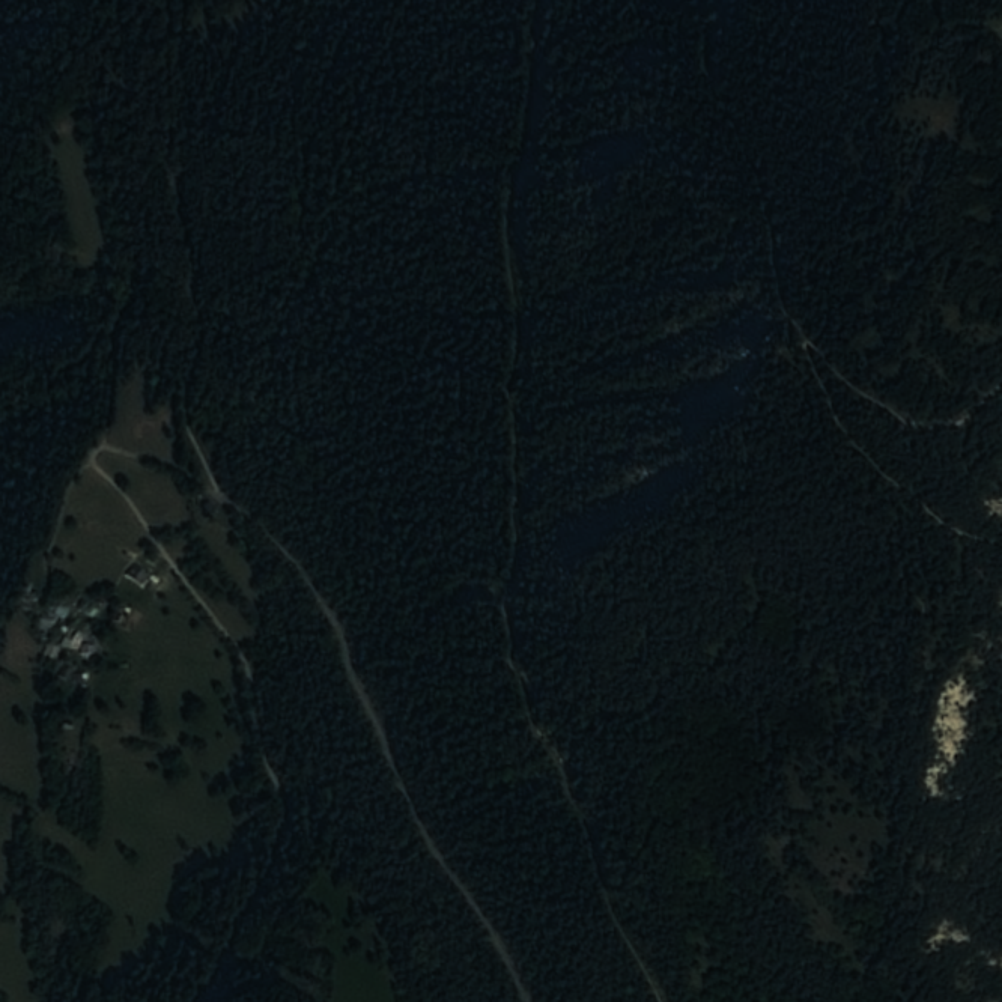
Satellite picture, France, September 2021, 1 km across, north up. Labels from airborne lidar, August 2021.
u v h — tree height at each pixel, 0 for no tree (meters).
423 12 22
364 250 11
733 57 25
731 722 13
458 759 15
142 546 8
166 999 17
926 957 6
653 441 6
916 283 13
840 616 15
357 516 22
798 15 22
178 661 0
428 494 23
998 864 10
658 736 11
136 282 15
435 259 21
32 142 18
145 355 17
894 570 22
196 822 0
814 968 13
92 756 7
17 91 28
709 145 21
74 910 20
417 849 16
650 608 14
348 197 19
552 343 18
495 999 11
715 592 9
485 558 22
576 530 12
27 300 18
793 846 7
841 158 19
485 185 24
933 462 10
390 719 9
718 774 15
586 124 18
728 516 24
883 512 9
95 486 0
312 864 26
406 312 26
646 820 10
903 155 9
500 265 27
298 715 17
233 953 19
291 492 20
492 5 21
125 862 13
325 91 26
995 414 16
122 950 0
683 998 11
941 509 13
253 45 20
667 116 24
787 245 12
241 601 9
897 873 11
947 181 12
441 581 20
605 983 16
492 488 24
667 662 19
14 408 15
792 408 20
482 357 28
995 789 8
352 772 21
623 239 28
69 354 26
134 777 0
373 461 26
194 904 24
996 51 10
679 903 12
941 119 0
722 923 18
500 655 11
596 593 15
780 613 15
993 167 12
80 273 7
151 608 0
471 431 29
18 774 0
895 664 19
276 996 14
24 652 0
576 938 20
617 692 10
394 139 28
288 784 20
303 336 22
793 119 23
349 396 23
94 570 0
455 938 19
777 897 7
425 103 25
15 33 24
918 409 10
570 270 18
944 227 16
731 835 12
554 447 16
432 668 24
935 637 7
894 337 16
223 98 22
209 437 7
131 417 0
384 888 18
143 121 18
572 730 20
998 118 11
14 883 13
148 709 14
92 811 14
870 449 16
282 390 20
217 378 13
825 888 7
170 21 13
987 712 7
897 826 13
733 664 9
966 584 14
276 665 16
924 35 10
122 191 18
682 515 16
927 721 7
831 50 18
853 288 15
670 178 21
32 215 20
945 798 6
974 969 7
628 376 16
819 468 15
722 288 7
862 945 8
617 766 10
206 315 16
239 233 18
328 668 14
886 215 17
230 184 15
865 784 13
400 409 27
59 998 12
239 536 18
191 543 10
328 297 10
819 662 14
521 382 7
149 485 0
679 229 23
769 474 17
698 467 10
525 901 26
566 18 19
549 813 17
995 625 10
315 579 11
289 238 22
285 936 17
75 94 20
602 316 16
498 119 25
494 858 18
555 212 12
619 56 19
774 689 17
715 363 9
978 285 15
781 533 15
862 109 14
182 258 21
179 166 17
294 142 22
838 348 18
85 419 19
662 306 12
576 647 26
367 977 0
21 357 17
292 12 19
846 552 13
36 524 18
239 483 14
